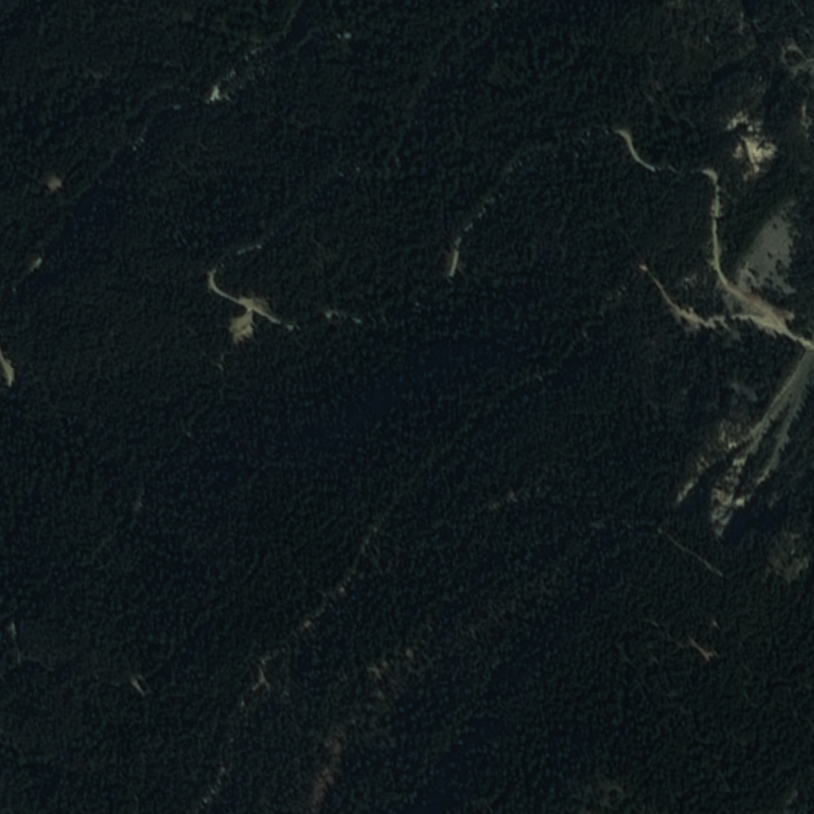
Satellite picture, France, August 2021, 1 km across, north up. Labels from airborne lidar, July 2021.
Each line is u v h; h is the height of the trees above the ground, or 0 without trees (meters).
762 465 6
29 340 15
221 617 7
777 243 0
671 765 22
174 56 13
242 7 15
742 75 15
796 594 25
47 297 14
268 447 19
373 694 23
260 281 16
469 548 19
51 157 19
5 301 6
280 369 6
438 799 12
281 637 17
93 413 11
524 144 19
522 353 8
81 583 19
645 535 17
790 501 19
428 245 14
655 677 19
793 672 18
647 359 13
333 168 16
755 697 20
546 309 14
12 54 19
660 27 11
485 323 14
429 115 12
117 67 13
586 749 18
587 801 8
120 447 21
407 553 9
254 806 14
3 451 15
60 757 8
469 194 11
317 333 11
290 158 11
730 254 14
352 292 19
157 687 16
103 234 14
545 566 14
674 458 7
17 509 11
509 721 14
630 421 17
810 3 5
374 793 12
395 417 17
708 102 13
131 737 12
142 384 16
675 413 11
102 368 14
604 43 20
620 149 8
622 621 18
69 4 27
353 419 17
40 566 9
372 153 21
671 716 18
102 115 19
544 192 15
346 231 10
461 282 14
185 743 12
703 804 25
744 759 22
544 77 16
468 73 10
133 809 19
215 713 14
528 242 14
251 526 16
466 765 17
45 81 20
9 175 16
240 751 11
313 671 22
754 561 10
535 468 13
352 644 18
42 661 13
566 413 18
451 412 16
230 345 11
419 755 11
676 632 18
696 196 11
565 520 17
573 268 14
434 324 19
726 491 9
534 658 15
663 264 8
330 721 14
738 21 8
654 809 15
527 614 18
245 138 12
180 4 16
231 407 13
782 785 17
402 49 19
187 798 7
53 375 11
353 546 14
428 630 7
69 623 14
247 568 10
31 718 10
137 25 12
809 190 15
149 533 13
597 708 21
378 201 12
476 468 17
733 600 13
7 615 13
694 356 19
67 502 14
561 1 16
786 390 0
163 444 11
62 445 15
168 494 11
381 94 18
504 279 14
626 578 8
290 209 7
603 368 18
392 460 17
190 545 14
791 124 12
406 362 12
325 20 15
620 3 18
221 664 10
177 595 11
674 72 16
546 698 12
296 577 9
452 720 19
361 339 12
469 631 9
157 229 10
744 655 18
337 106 12
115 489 9
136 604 9
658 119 26
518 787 25
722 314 15
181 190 6
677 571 17
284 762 14
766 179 9
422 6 21
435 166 13
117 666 7
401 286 18
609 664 25
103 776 8
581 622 15
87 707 11
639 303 15
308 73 13
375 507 15
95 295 11
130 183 13
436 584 14
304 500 18
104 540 16
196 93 11
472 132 15
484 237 14
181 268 8
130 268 9
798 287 11
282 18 17
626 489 17
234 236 14
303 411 13
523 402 16
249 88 9
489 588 18
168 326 10
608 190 15
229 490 16
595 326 6
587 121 14
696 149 19
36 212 15
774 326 0
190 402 14
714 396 13
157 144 14
